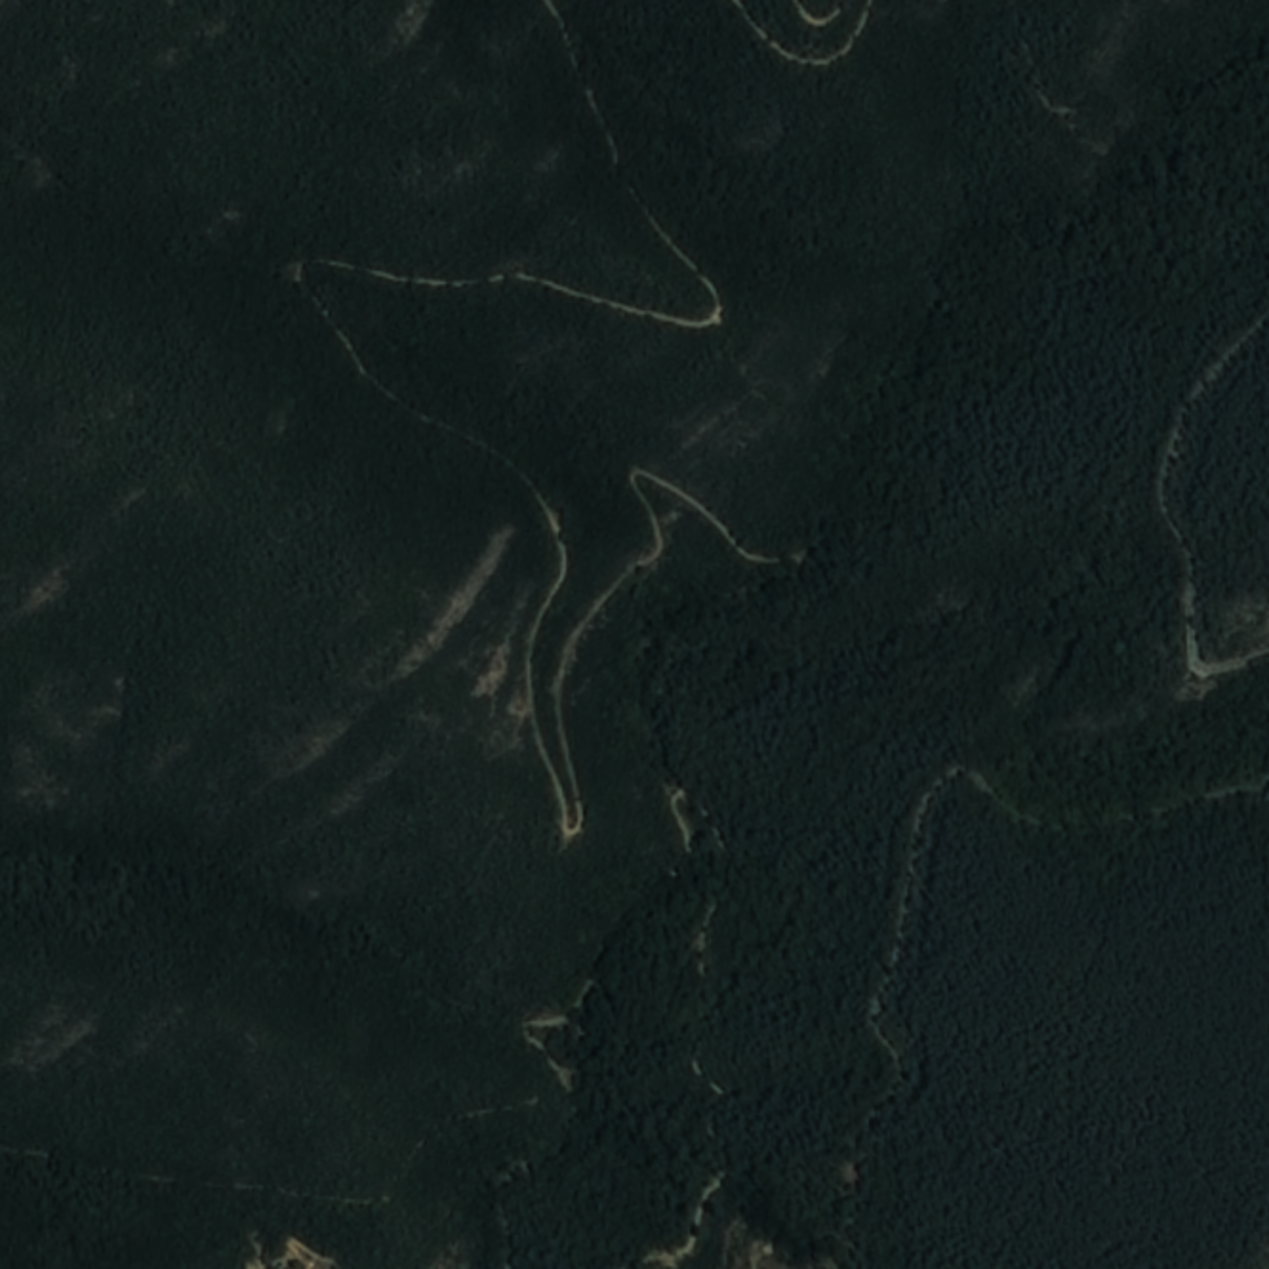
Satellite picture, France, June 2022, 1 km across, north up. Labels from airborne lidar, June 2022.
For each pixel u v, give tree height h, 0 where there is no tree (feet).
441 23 28
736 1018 31
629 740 34
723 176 61
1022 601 57
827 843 22
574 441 35
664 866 36
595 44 49
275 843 19
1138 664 20
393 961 40
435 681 18
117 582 23
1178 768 36
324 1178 22
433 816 21
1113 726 20
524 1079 27
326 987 34
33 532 22
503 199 24
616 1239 31
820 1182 54
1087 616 33
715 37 28
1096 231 62
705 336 21
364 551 37
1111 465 58
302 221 26
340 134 30
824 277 33
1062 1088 50
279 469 19
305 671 20
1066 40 27
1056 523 30
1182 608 29
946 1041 57
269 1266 35
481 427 36
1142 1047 49
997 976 50
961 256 69
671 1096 41
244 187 27
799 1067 30
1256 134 31
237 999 19
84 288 27
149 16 37
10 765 24
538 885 23
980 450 52
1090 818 34
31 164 52
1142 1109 36
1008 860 53
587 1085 52
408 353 28
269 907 44
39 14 29
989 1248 42
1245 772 45
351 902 25
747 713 51
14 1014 22
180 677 23
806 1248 43
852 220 42
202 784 23
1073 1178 42
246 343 30
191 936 37
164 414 45
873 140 26
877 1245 43
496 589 20
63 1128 33
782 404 28
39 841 21
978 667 59
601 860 31
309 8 28
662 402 23
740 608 50
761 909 43
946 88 33
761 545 25
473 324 30
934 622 31
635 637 38
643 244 23
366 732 18
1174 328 32
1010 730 44
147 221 46
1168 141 73
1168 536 37
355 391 27
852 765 31
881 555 35
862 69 18
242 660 19
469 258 20
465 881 26
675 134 41
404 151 25
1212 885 56
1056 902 50
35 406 22
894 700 46
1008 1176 53
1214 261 48
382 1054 25
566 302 32
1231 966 54
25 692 24
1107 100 21
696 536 19
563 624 27
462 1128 20
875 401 52
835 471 63
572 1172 54
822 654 41
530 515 22
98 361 23
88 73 29
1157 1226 44
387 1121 26
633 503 30
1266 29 52
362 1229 30
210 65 26
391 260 26
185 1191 41
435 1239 22
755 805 35
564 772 22
